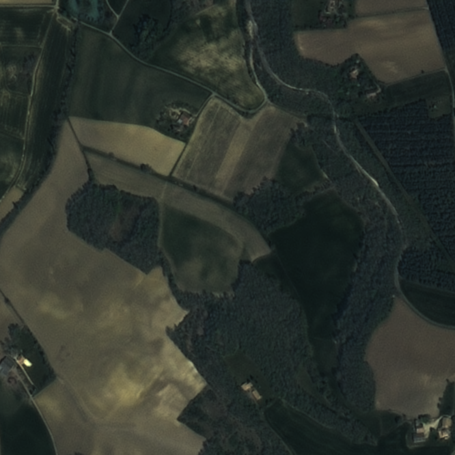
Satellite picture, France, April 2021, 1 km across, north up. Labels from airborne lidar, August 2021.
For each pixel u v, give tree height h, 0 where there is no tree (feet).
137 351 0
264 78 31
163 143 0
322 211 0
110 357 0
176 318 0
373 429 0
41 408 0
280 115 0
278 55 36
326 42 0
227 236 0
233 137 0
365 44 0
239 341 34
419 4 0
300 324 75
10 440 0
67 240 0
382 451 0
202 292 0
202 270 0
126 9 0
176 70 0
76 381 0
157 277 0
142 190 0
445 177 44
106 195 85
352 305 79
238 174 0
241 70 0
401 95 0
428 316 0
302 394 59
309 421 0
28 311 0
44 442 0
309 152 0
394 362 0
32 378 0
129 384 0
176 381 0
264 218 65
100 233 69
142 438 0
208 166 0
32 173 0
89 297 0
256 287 78
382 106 0
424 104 32
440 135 44
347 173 25
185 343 34
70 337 0
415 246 44
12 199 0
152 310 0
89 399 0
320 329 0
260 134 0
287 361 69
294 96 52
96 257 0
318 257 0
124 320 0
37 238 0
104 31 0
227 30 0
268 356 49
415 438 0
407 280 31
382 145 50
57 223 0
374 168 44
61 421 0
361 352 49
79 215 68
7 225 53
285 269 0
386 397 0
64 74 0
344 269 0
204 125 0
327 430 0
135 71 0
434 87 0
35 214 0
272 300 75
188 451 0
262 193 45
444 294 0
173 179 0
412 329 0
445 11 46
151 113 0
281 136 0
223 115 0
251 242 0
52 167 82
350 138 34
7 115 0
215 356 36
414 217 39
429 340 0
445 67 0
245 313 51
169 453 0
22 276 0
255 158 0
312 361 60
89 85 0
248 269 77
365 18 0
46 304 0
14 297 0
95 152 0
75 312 0
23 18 0
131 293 0
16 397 0
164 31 23
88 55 0
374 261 48
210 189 0
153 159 0
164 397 0
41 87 0
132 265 53
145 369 0
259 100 0
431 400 0
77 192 0
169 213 0
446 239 42
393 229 54
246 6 47
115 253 57
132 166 0
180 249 0
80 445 0
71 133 0
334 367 0
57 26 0
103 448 0
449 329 0
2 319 0
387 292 41
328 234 0
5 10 0
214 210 0
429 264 55
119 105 0
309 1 0
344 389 70
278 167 0
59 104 0
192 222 0
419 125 36
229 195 0
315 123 62
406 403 0
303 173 0
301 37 0
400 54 0
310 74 70
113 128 0
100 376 0
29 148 0
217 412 0
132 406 0
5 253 0
